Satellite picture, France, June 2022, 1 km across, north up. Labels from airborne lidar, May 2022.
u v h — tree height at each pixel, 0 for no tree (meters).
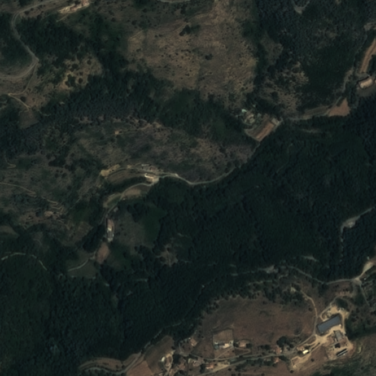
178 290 19
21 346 10
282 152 7
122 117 19
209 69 0
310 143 9
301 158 13
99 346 17
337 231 14
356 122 8
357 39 8
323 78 10
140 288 12
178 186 11
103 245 0
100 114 16
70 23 0
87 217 0
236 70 0
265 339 0
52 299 15
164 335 7
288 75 14
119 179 0
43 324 10
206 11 0
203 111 12
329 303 0
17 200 17
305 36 19
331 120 14
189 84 0
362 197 14
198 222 15
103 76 10
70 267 0
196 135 9
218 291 12
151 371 0
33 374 14
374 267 9
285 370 0
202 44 0
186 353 0
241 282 9
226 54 0
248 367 0
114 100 23
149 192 8
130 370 0
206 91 0
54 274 16
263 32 6
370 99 9
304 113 7
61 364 17
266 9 28
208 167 0
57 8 0
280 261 10
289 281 0
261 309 0
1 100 9
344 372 0
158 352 0
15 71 0
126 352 10
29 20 8
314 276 12
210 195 13
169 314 13
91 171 7
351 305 0
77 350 23
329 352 0
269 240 17
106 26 10
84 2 0
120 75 23
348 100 11
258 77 12
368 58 0
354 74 8
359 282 0
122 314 21
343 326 0
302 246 14
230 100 8
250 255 14
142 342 14
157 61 0
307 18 14
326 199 12
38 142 17
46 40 10
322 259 17
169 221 14
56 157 16
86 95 15
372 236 20
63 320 16
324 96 8
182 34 12
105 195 8
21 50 11
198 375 0
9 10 0
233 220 18
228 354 0
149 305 10
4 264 7
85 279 11
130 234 0
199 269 9
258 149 12
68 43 19
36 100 0
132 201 0
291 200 17
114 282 19
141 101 13
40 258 9
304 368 0
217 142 6
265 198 9
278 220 14
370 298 10
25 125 0
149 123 17
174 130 9
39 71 9
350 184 15
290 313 0
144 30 10
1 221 11
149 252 14
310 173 15
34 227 12
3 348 10
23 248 13
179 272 10
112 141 10
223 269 12
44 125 12
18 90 0
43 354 20
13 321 12
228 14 0
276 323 0
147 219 0
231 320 0
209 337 0
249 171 11
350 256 16
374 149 10
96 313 16
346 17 10
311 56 16
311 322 0
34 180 15
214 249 13
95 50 13
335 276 21
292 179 12
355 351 0
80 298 16
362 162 16
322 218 7
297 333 0
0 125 7
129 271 6
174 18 0
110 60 15
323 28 7
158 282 19
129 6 6
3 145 13
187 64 0
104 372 8
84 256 0
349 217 7
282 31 8
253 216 15
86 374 12
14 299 5
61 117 16
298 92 7
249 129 6
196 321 9
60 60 10
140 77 14
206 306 10
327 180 25
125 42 0
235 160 11
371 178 15
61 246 5
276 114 9
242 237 13
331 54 14
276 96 11
